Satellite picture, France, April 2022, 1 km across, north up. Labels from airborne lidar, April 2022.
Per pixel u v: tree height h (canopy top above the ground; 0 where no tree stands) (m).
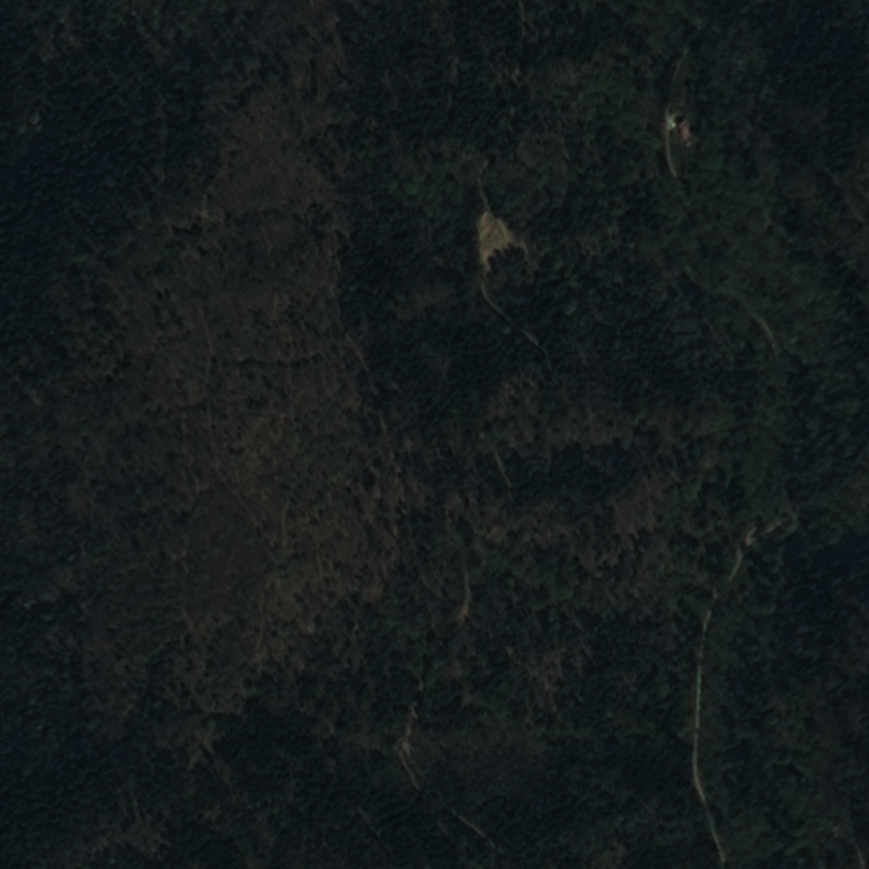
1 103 24
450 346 29
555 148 25
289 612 0
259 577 7
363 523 14
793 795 20
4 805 29
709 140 23
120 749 18
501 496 21
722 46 29
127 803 13
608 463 35
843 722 24
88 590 9
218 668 12
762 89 22
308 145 10
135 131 26
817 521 25
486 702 16
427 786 22
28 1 14
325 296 16
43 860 24
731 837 28
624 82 23
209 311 9
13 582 29
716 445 25
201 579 10
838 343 31
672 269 34
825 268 21
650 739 25
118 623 10
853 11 27
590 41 28
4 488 29
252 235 11
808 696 21
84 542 25
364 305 23
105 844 17
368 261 22
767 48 18
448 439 26
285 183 9
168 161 7
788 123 25
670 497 27
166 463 13
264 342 9
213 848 23
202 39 6
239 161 10
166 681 8
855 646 18
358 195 28
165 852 33
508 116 33
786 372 35
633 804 17
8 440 20
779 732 27
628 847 25
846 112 20
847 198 14
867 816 16
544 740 17
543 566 25
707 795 7
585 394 29
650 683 22
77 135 23
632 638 19
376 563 31
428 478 28
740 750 17
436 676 31
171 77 7
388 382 28
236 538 12
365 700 26
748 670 18
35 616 24
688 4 32
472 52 28
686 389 23
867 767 20
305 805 22
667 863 24
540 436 35
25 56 25
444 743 24
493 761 25
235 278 10
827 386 22
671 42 32
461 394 32
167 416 8
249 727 18
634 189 18
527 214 25
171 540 12
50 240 30
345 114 22
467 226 6
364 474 18
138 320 14
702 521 24
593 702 37
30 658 23
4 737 28
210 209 9
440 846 22
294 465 9
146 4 12
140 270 14
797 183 23
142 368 12
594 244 16
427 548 43
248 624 8
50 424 23
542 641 31
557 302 32
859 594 16
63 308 27
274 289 7
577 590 15
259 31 12
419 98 26
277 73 25
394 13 28
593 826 27
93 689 8
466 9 23
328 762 19
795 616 15
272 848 26
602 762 31
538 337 19
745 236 30
